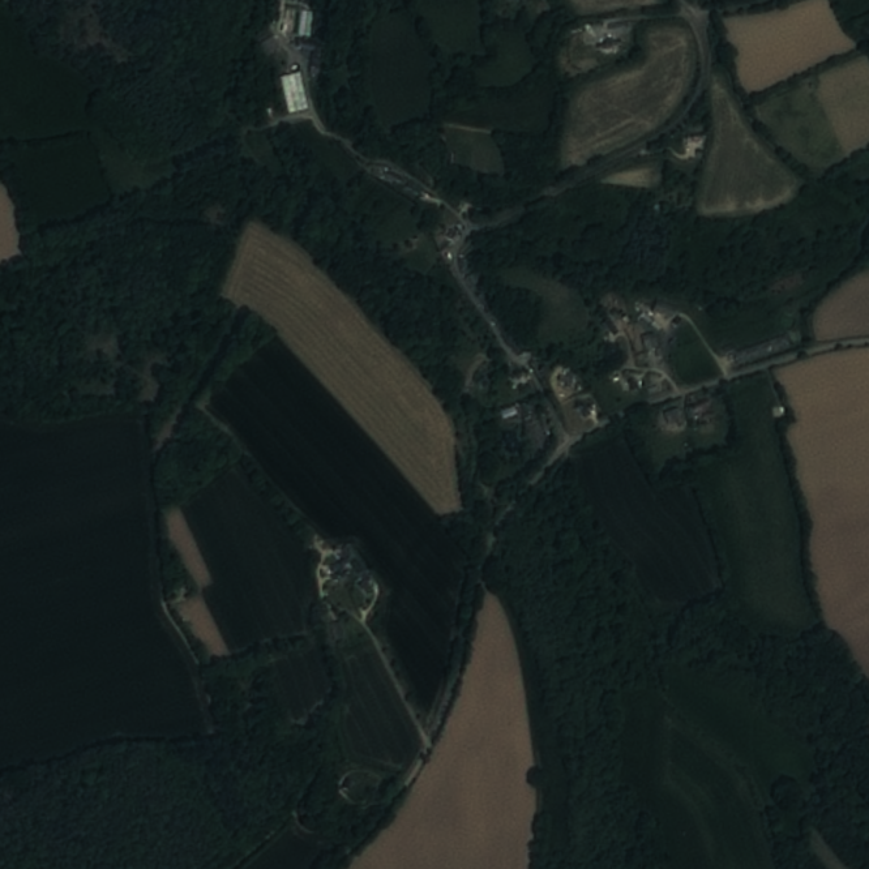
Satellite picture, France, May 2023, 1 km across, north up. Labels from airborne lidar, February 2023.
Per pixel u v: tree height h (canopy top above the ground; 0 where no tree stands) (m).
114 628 0
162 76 14
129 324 25
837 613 0
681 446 0
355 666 0
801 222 0
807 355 9
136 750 23
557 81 8
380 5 21
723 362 0
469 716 0
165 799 23
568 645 9
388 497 0
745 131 0
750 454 0
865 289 0
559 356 21
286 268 0
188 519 0
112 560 0
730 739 0
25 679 0
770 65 0
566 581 20
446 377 18
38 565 0
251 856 7
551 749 0
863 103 0
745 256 8
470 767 0
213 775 26
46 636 0
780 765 0
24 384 13
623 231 11
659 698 0
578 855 8
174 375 18
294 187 22
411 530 0
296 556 0
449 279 0
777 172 0
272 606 0
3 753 0
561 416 0
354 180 9
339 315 0
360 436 0
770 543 0
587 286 10
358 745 0
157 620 0
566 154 0
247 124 21
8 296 17
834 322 0
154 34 17
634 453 16
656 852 18
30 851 20
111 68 14
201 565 0
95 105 16
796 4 0
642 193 7
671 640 18
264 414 0
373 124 10
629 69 0
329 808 19
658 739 0
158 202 10
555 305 0
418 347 14
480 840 0
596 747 13
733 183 0
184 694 0
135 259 18
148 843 18
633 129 0
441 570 0
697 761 0
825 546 0
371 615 7
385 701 0
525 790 0
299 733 18
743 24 0
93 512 0
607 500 0
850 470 0
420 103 0
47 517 0
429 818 0
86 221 16
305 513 0
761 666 20
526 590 16
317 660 0
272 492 13
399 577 0
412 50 0
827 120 0
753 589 0
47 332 12
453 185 20
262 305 0
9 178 19
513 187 16
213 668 20
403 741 0
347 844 17
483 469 17
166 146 19
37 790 24
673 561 0
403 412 0
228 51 23
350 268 22
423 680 0
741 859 0
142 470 0
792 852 19
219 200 6
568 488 19
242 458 11
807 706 12
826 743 9
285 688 0
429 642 0
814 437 0
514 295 11
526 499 18
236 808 25
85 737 0
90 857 18
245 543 0
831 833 17
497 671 0
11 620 0
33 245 20
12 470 0
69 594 0
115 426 0
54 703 0
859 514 0
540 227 10
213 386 22
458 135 0
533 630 9
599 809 10
